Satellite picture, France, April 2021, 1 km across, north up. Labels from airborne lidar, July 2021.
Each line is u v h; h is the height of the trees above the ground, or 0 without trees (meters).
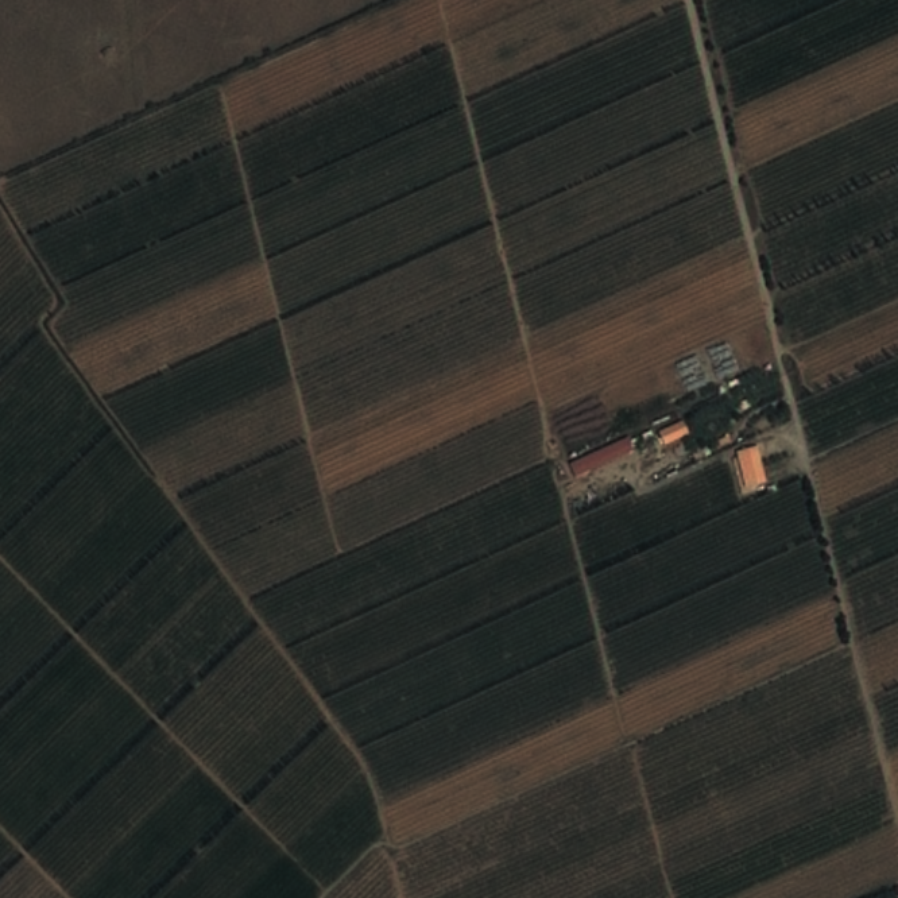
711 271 0
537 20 0
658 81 8
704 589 10
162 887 12
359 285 11
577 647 11
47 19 0
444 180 8
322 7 0
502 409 0
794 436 0
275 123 12
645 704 0
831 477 0
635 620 12
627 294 0
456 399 0
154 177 12
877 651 0
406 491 0
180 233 9
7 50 0
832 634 0
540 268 9
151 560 14
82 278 9
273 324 10
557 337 0
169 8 0
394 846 0
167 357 0
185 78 0
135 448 6
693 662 0
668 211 7
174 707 14
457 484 0
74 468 10
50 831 13
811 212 20
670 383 0
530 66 0
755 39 11
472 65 0
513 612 10
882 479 0
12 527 12
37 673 13
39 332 11
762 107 0
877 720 0
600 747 0
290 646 8
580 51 8
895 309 0
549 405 0
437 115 8
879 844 0
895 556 11
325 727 14
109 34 0
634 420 0
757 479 0
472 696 9
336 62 0
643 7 0
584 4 0
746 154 0
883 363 18
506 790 0
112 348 0
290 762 15
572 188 10
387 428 0
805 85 0
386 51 0
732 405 15
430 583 9
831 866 0
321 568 8
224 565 0
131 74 0
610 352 0
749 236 0
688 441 13
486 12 0
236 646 14
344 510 0
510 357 0
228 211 9
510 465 0
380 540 9
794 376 0
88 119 0
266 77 0
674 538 11
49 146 0
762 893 0
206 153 11
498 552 10
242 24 0
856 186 16
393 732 10
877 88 0
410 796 0
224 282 0
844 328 0
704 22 8
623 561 14
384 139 6
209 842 14
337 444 0
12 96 0
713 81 0
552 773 0
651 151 11
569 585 11
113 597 12
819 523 13
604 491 0
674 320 0
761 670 0
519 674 11
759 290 0
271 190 7
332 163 6
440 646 11
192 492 13
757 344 0
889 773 0
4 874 12
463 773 0
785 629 0
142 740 13
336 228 7
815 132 0
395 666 10
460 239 11
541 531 9
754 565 11
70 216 12
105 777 14
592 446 0
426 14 0
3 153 0
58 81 0
